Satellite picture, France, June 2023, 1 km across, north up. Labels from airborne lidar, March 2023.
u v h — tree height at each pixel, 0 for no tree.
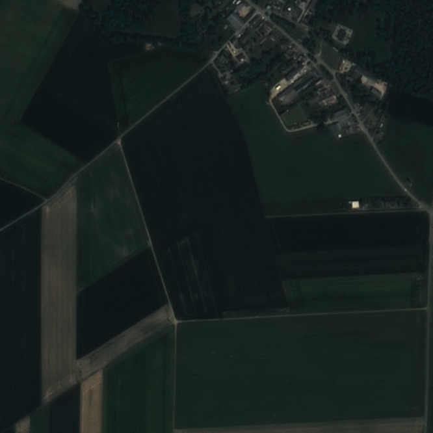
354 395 0
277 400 0
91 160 0
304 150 0
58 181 0
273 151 0
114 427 0
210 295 0
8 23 0
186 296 0
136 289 0
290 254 0
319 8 16
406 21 21
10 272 0
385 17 0
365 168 0
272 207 0
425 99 0
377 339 0
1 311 0
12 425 0
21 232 0
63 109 0
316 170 0
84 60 0
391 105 0
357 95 15
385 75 16
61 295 0
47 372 0
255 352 0
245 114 0
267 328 0
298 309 0
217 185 0
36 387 0
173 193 0
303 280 0
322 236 0
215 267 0
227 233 0
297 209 0
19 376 0
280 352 0
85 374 0
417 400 0
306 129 0
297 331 0
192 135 0
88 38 0
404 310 0
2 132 0
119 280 0
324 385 0
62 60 0
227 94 6
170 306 0
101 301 0
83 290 0
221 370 0
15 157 0
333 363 0
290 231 0
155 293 0
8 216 0
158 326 0
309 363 0
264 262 0
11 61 0
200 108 0
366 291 0
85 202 0
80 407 0
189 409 0
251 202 0
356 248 0
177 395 0
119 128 0
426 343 0
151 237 0
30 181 0
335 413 0
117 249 0
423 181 0
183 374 0
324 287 0
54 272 0
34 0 0
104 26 19
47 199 0
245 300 0
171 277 0
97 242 0
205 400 0
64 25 0
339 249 0
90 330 0
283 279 0
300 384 0
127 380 0
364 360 0
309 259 0
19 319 0
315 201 0
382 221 0
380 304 0
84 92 0
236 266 0
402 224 0
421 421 0
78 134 0
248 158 0
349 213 0
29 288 0
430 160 0
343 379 0
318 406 0
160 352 0
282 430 0
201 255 0
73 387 0
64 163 0
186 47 14
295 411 0
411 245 0
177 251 0
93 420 0
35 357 0
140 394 0
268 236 0
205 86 0
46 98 0
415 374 0
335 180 0
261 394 0
